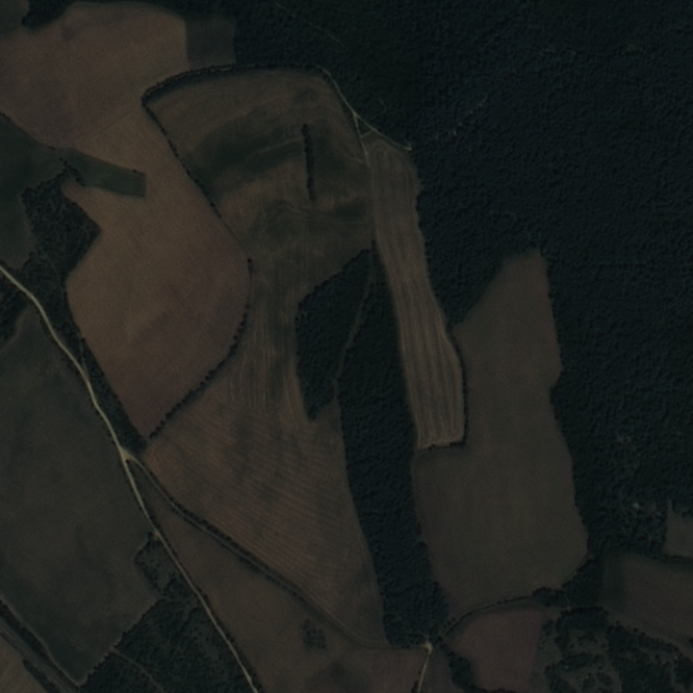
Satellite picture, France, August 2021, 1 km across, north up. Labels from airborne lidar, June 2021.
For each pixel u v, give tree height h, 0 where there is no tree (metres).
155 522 8
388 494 15
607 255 13
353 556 0
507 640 0
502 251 14
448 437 0
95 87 0
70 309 6
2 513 0
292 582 0
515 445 0
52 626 0
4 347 0
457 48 12
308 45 6
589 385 11
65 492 0
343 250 0
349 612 0
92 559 0
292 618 0
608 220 15
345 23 8
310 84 0
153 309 0
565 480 0
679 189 14
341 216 0
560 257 13
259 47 6
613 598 0
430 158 8
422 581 11
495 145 10
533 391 0
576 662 7
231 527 0
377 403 10
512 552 0
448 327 6
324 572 0
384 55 15
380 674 0
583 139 15
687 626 0
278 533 0
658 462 12
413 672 0
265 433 0
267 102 0
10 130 0
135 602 0
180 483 0
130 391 0
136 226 0
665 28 12
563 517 0
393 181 0
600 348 13
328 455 0
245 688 8
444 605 15
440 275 13
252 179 0
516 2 6
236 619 0
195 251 0
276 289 0
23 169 0
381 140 0
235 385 0
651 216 14
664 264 16
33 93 0
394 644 9
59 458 0
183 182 0
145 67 0
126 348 0
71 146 0
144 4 0
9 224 0
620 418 8
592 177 15
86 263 0
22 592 0
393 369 10
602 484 14
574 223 17
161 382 0
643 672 7
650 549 10
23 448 0
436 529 0
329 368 12
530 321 0
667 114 9
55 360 0
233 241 0
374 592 0
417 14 17
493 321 0
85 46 0
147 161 0
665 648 7
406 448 11
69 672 0
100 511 0
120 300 0
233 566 0
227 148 0
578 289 12
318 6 9
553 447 0
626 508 9
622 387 11
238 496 0
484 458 0
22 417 0
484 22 9
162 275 0
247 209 0
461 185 12
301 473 0
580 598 12
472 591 0
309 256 0
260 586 0
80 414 0
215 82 0
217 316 0
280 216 0
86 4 0
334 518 0
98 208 0
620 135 13
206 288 0
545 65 10
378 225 0
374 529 11
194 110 0
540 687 0
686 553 0
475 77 8
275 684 0
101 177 0
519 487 0
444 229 19
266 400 0
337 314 9
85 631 0
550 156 13
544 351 0
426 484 0
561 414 10
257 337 0
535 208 17
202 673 6
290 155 0
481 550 0
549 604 11
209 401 0
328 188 0
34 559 0
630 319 13
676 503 14
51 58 0
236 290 0
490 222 12
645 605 0
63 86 0
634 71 10
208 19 0
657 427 10
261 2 7
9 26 0
